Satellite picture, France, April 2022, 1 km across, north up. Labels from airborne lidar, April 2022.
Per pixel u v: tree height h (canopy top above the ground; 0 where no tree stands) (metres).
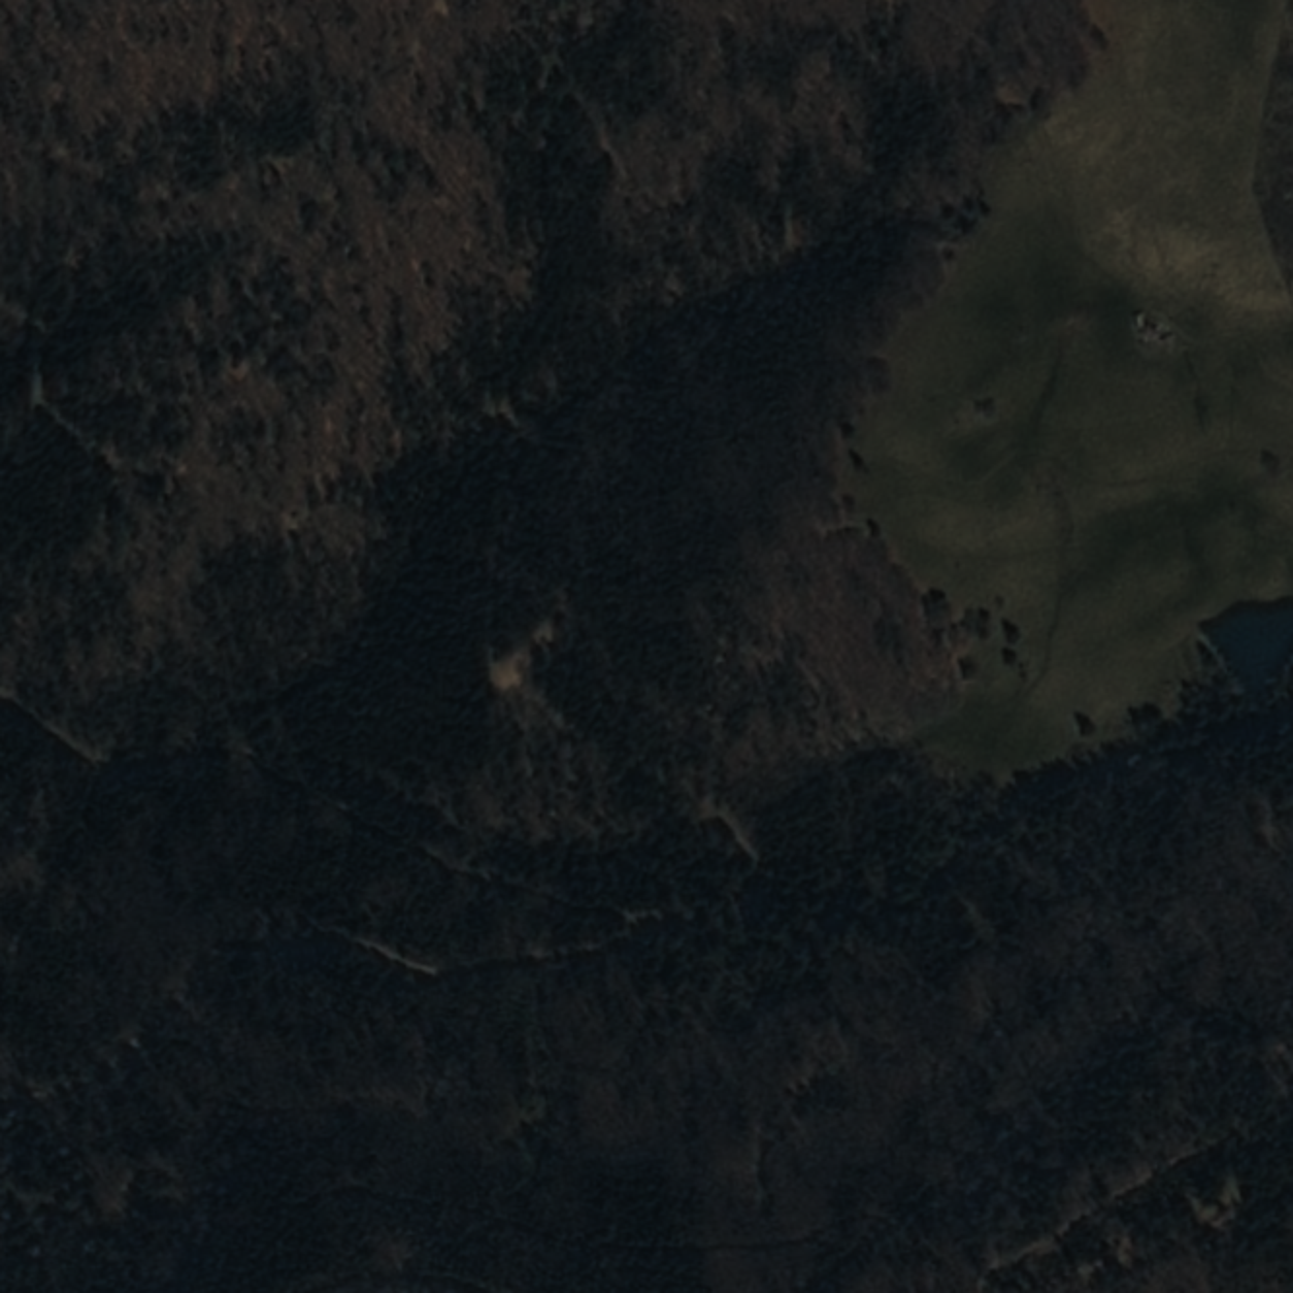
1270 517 0
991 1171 21
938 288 10
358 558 24
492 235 27
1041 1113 19
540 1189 18
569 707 20
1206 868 19
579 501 20
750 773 22
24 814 17
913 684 21
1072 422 0
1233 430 0
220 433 24
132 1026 20
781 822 22
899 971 15
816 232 18
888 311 16
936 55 16
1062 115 0
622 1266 15
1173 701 0
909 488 0
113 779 16
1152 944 18
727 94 21
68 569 24
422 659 20
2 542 21
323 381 25
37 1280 21
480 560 15
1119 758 12
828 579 19
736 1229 15
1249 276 0
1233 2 0
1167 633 0
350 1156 15
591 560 21
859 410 10
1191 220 0
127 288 23
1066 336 0
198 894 13
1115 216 0
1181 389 0
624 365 21
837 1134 18
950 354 0
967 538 0
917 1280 11
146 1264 18
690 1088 18
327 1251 17
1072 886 22
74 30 19
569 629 18
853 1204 18
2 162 23
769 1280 17
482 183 21
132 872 18
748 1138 18
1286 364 0
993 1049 17
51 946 13
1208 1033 16
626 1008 16
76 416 16
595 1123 16
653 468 19
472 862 9
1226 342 0
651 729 24
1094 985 25
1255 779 18
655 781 30
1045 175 0
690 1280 20
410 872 14
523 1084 15
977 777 0
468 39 26
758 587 21
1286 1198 9
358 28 22
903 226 20
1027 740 0
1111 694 0
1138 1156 22
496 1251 20
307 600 22
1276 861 14
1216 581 0
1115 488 0
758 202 22
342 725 22
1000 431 0
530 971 16
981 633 11
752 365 20
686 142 19
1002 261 0
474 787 26
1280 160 0
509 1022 14
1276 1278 24
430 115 22
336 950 17
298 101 19
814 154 18
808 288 23
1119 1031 18
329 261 23
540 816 24
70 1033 17
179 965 20
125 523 22
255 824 17
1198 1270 19
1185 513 0
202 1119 16
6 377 22
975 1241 10
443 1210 21
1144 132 0
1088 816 21
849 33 16
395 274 25
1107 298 0
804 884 12
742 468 21
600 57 21
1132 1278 17
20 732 20
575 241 22
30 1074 22
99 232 23
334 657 24
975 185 15
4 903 14
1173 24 0
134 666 25
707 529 23
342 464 22
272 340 22
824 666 22
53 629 19
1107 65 0
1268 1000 11
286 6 19
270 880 13
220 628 20
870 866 15
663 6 23
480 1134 18
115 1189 11
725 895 41
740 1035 16
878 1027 14
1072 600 0
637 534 19
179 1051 20
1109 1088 29
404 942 14
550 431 22
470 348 20
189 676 22
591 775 28
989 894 15
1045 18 18
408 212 21
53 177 25
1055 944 18
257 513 20
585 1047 17
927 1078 17
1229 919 19
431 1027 17
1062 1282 12
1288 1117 22
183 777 12
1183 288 0
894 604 18
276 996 10
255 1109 9
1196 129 0
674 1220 18
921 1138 10
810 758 21
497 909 17
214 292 19
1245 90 0
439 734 24
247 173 18
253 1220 15
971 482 0
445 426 23
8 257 22
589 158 23
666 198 23
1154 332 0
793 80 19
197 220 23
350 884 13
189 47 17
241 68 20
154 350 22
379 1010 19
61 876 18
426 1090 12
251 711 20
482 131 22
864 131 19
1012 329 0
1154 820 23
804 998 17
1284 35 0
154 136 18
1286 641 0
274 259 23
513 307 27
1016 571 0
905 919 28
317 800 16
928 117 15
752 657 17
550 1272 22
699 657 25
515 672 0
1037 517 0
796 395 20
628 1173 19
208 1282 16
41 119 19
